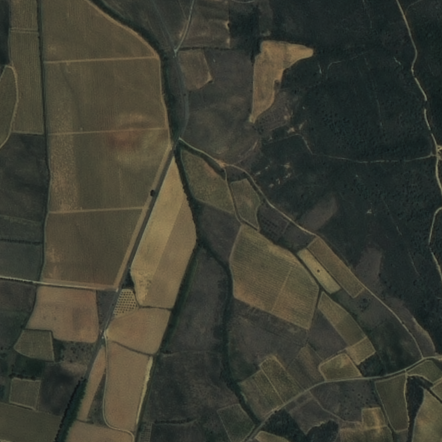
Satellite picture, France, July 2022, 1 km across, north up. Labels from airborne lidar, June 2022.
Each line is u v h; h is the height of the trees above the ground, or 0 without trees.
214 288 0
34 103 0
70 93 0
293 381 0
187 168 0
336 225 0
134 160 0
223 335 6
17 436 0
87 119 0
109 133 0
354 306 0
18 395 0
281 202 0
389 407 0
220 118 0
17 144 0
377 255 0
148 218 0
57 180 0
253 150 0
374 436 0
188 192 9
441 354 8
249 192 0
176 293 0
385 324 0
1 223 0
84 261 0
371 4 6
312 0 0
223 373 9
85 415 0
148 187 0
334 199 0
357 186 6
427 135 9
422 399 6
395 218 0
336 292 0
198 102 0
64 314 0
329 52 6
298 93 10
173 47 0
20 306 0
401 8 0
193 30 0
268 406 0
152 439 0
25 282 9
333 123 10
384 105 7
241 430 0
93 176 0
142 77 0
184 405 0
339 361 0
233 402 0
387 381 0
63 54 0
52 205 0
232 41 0
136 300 0
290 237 0
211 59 0
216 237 0
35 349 0
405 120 9
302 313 0
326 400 0
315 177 0
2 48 0
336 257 0
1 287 0
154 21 0
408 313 0
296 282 0
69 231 0
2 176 0
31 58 0
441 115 7
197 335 0
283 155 0
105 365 0
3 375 0
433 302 6
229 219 0
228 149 0
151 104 0
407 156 7
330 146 0
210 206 0
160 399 0
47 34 0
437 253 10
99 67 0
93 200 0
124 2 0
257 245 0
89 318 0
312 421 0
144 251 0
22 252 0
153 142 0
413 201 10
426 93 6
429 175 7
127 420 0
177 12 0
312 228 0
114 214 0
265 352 0
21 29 0
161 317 0
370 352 0
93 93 0
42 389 0
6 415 0
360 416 0
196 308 0
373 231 0
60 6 0
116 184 0
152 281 0
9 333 0
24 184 0
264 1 0
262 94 0
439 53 6
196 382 0
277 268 0
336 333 0
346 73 0
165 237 0
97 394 0
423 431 0
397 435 0
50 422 0
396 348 0
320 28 0
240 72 0
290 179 0
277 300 0
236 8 0
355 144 10
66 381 0
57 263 0
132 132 0
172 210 0
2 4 0
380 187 9
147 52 0
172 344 0
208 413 0
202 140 0
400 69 7
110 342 0
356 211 0
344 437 0
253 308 0
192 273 0
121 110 0
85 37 0
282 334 0
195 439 0
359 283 0
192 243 0
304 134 0
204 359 0
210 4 0
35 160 0
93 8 0
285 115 0
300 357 0
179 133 0
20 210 0
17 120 0
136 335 0
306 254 0
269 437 0
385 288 0
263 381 0
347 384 0
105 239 0
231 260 0
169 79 0
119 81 0
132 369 0
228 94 0
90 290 0
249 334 0
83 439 0
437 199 7
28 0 0
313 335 0
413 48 0
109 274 0
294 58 0
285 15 0
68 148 0
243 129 0
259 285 0
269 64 0
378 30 6
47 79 0
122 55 0
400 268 0
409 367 0
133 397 0
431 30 7
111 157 0
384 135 8
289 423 9
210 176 0
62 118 0
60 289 0
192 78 0
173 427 0
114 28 0
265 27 0
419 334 0
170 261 0
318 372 0
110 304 0
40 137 0
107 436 0
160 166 0
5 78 0
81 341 0
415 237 6
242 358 0
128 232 0
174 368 0
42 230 0
